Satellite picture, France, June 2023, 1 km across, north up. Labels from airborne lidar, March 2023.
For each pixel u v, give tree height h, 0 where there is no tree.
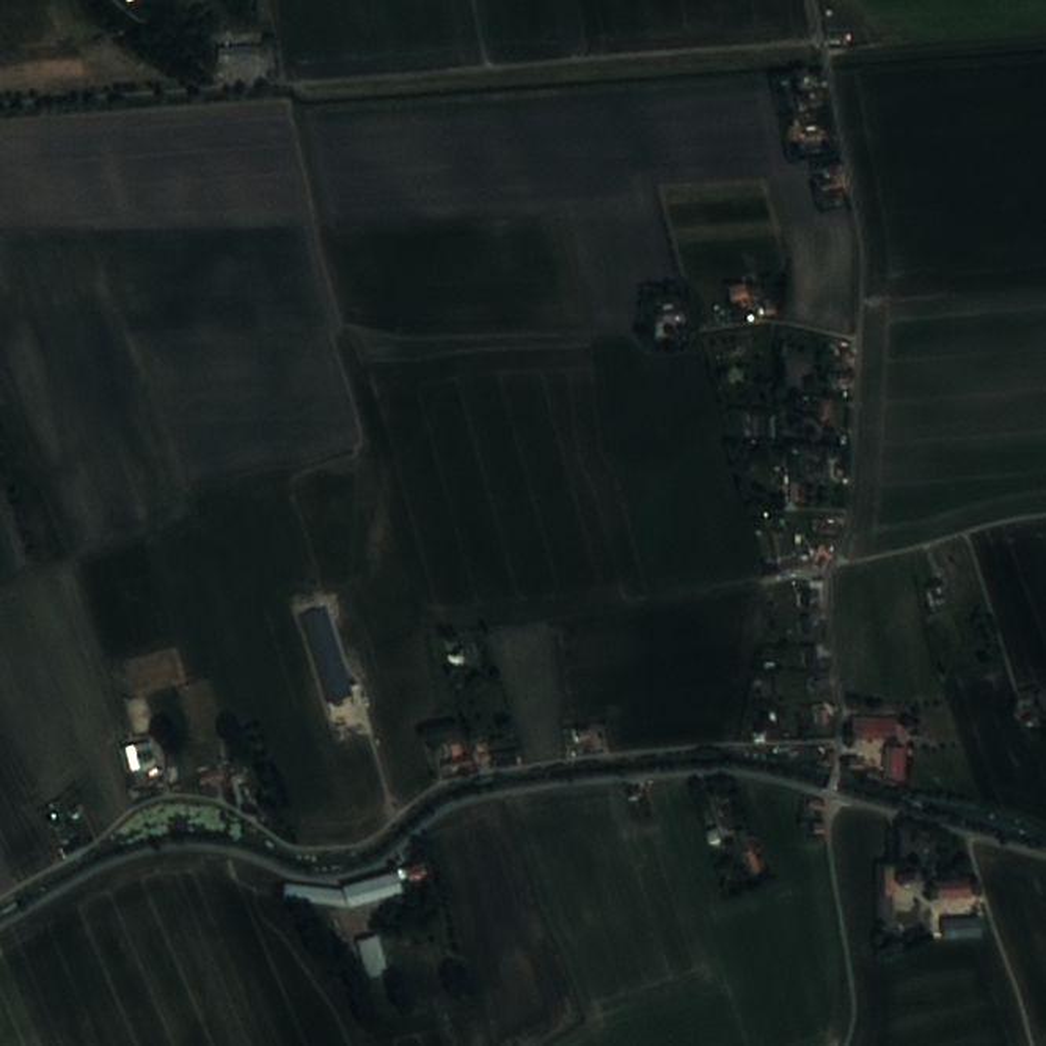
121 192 0
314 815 0
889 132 0
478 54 0
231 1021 0
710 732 0
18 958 0
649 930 0
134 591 0
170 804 0
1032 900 0
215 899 0
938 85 0
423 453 0
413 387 0
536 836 0
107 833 0
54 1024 0
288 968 0
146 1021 0
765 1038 0
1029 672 0
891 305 0
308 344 0
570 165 0
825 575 0
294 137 0
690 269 0
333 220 0
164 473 0
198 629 0
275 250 0
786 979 0
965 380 0
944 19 0
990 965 0
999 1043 0
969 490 0
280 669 0
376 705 0
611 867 0
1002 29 0
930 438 0
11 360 0
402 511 0
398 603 0
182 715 0
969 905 0
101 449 0
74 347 0
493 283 0
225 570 0
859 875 0
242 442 0
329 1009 0
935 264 0
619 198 0
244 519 0
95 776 0
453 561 0
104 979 0
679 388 0
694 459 0
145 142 0
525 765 0
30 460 0
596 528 0
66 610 0
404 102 0
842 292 0
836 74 0
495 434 0
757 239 0
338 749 0
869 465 0
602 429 0
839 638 0
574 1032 0
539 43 0
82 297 0
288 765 0
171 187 0
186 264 0
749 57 0
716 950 0
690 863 0
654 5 0
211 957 0
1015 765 0
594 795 0
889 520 0
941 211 0
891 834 11
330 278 0
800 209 0
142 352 0
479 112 0
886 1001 0
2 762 0
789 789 0
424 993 0
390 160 0
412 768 0
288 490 0
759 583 0
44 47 0
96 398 0
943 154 0
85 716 0
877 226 0
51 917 0
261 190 0
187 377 0
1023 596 0
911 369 0
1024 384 0
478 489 0
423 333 0
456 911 0
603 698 0
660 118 0
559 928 0
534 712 0
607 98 0
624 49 0
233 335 0
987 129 0
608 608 0
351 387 0
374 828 0
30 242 0
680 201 0
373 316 0
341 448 0
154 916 0
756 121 0
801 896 0
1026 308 0
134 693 0
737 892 9
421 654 0
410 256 0
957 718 0
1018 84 0
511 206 0
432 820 0
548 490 0
